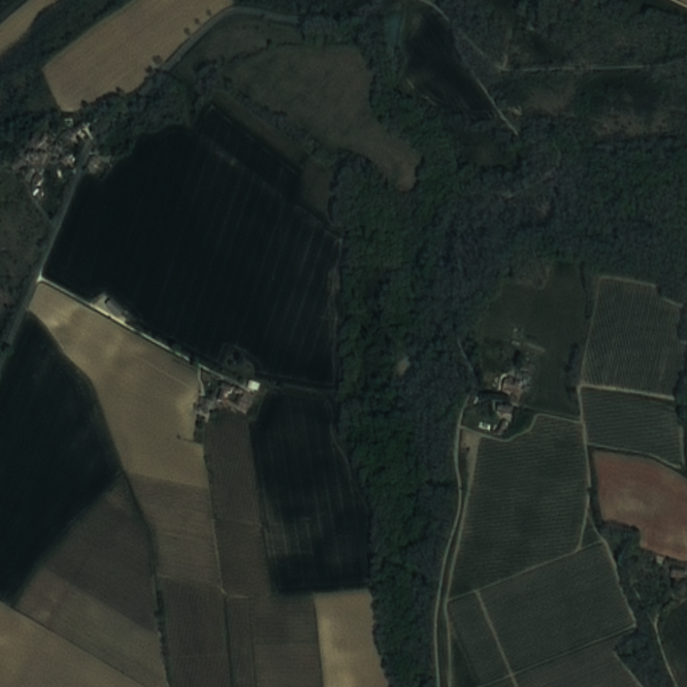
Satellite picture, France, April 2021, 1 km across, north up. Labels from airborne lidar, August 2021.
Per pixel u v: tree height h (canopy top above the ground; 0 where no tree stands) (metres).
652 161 20
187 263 0
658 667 19
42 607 0
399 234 16
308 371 0
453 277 23
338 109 0
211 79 14
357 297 26
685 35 20
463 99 0
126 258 0
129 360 0
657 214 20
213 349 0
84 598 0
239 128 0
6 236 8
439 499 23
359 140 0
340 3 12
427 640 16
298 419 0
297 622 0
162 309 0
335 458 0
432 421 26
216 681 0
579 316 0
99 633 0
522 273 18
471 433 0
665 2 0
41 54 8
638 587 12
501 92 11
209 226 0
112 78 0
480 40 24
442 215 21
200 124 0
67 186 5
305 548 0
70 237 0
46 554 0
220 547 0
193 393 0
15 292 15
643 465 0
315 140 16
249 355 0
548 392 0
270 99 0
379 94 12
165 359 0
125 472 0
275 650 0
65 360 0
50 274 0
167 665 10
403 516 31
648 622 16
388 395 29
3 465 0
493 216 14
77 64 0
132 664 0
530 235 24
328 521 0
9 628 0
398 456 30
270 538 0
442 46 0
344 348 11
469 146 6
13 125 13
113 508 0
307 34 18
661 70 18
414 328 18
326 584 0
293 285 0
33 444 0
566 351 0
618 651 10
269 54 0
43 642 0
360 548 0
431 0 16
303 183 0
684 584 9
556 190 8
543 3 19
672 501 0
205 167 0
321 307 0
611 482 0
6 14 0
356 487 0
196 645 0
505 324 0
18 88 8
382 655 13
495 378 5
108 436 0
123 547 0
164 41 0
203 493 0
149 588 0
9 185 0
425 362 22
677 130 6
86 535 0
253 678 0
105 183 0
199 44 0
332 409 0
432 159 19
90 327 0
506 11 0
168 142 0
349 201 19
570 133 23
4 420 0
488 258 21
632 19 16
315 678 0
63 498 0
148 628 0
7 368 0
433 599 15
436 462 25
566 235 20
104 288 0
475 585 0
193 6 0
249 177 0
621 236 23
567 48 23
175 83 14
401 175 0
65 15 10
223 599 0
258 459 0
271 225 0
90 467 0
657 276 20
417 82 0
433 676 11
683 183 22
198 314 0
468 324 22
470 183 25
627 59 20
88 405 0
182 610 0
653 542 0
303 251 0
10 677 0
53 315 0
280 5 11
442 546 21
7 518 0
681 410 10
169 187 0
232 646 0
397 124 24
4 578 0
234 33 0
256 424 0
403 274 20
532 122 13
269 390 0
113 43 0
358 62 0
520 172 14
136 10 0
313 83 0
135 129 12
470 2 31
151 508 0
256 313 0
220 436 0
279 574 0
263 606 0
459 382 21
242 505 0
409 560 27
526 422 6
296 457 0
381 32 9
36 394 0
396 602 13
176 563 0
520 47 12
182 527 0
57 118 10
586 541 0
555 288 0
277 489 0
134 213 0
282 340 0
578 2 7
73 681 0
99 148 8
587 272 15
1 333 11
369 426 31
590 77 7
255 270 0
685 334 19
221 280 0
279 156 0
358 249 20
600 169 25
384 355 10
